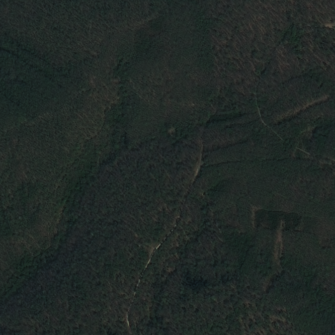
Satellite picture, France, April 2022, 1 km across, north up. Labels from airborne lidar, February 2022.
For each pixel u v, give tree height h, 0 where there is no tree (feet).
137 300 81
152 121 76
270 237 84
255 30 79
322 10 84
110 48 70
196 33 66
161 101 67
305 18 98
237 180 49
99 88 61
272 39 101
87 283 74
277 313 76
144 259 65
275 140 52
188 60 69
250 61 93
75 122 70
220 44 77
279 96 69
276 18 81
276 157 52
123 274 69
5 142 51
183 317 72
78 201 91
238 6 77
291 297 74
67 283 78
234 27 80
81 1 65
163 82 62
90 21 68
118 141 81
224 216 45
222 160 65
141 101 67
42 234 52
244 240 54
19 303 92
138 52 47
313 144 70
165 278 101
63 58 68
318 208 69
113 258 83
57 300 79
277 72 76
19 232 70
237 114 33
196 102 74
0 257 76
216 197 79
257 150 62
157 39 60
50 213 67
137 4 73
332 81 73
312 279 60
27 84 53
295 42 67
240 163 60
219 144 52
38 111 57
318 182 64
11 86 75
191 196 75
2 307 95
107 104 85
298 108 73
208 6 61
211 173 67
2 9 78
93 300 80
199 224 91
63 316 80
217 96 83
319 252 63
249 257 72
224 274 77
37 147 70
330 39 87
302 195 72
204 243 94
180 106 69
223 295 90
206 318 80
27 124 51
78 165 58
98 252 74
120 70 71
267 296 79
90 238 87
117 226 70
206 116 80
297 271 85
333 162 42
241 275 68
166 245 60
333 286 83
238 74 92
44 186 57
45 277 99
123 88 55
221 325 75
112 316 81
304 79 72
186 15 71
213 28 75
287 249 77
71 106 57
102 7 65
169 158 68
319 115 75
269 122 55
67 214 81
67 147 70
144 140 81
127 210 67
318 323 68
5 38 73
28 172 66
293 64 110
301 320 73
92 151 84
